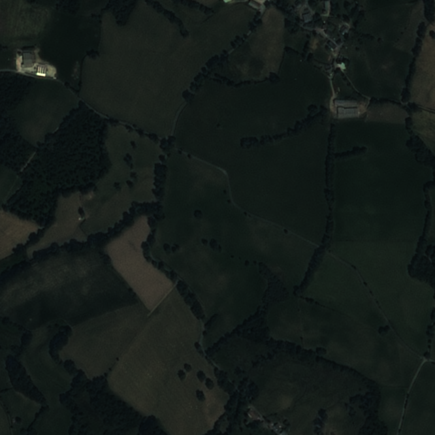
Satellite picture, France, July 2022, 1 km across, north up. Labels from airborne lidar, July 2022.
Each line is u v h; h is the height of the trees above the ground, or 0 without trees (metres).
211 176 0
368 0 0
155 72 0
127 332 0
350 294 0
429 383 0
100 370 0
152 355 0
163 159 20
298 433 0
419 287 0
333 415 0
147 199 0
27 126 0
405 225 0
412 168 0
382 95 0
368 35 9
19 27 0
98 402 19
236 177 0
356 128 0
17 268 19
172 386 0
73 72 0
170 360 0
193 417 0
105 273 0
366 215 0
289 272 0
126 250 0
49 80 0
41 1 0
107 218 0
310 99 0
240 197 0
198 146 0
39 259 19
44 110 0
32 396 21
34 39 0
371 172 0
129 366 0
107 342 0
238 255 0
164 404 0
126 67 0
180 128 0
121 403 8
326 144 0
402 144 0
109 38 0
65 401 22
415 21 0
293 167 0
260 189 0
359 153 13
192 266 0
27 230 0
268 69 0
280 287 9
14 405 0
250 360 0
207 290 0
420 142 18
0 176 0
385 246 0
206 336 9
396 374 0
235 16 0
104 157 20
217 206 0
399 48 0
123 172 0
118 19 10
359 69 0
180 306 0
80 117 11
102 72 0
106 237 19
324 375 0
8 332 0
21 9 0
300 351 22
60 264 0
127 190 0
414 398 0
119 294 0
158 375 0
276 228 0
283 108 0
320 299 0
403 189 0
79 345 0
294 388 0
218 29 0
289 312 0
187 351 0
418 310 0
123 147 0
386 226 0
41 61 0
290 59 0
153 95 0
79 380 23
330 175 16
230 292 0
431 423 0
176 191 0
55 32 0
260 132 0
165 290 0
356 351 0
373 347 0
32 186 7
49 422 0
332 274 0
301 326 0
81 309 0
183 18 0
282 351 25
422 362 0
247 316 0
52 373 0
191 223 0
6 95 8
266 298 11
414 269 21
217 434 19
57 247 17
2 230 0
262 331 16
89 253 0
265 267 7
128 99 0
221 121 0
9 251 0
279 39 0
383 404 0
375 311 0
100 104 0
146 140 0
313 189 0
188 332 0
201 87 13
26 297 0
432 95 0
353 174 0
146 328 0
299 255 0
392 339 0
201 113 0
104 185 0
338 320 0
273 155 0
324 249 13
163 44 0
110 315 0
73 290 0
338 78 0
